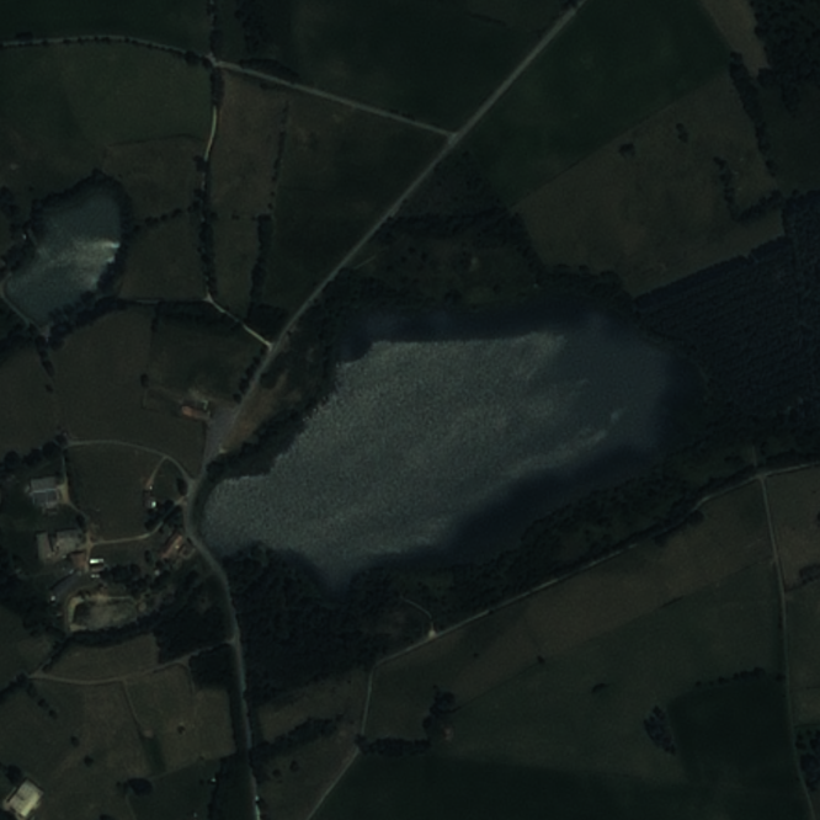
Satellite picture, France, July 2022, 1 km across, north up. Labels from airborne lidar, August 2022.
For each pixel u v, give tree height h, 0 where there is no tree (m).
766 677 9
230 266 0
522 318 0
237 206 0
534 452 0
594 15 0
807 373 21
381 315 0
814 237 20
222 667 6
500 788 0
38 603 7
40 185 0
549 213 0
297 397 0
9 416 0
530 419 0
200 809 0
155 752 0
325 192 0
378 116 0
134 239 9
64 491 0
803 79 17
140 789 27
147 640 0
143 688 0
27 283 0
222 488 0
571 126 0
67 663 0
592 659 0
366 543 0
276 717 0
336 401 0
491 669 0
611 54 0
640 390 0
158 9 0
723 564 0
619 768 0
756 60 0
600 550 6
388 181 0
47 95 0
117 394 0
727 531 0
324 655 15
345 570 0
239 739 11
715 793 0
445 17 0
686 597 0
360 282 7
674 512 8
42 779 0
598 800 0
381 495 0
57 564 0
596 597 0
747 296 19
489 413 0
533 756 0
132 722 0
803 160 0
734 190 6
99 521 0
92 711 0
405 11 0
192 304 7
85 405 0
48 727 0
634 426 0
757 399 20
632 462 0
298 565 0
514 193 0
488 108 0
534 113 0
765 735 0
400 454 0
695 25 0
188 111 0
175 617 9
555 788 0
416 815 0
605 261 0
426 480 0
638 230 0
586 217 0
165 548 0
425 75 0
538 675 0
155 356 0
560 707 0
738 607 0
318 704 0
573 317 0
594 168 0
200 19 0
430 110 0
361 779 0
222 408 0
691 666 0
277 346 0
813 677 0
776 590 0
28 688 13
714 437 10
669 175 0
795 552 0
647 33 0
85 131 0
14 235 15
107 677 0
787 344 17
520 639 0
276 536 0
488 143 0
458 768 0
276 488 0
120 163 0
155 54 0
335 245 0
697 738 0
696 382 0
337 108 0
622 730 0
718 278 20
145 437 0
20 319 6
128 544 0
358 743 12
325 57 0
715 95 0
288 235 0
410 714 0
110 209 0
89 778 0
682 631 0
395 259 0
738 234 0
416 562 0
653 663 0
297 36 0
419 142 0
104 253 0
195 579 12
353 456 0
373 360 0
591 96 0
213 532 0
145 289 0
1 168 0
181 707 0
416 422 0
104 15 0
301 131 0
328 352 11
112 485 0
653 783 0
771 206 10
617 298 9
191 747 0
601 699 0
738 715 0
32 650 0
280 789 0
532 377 0
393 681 0
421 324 0
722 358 21
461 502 0
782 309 19
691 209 0
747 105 17
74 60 0
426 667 0
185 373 0
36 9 0
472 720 0
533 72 0
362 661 13
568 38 0
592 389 0
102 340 0
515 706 0
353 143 0
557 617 0
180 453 0
